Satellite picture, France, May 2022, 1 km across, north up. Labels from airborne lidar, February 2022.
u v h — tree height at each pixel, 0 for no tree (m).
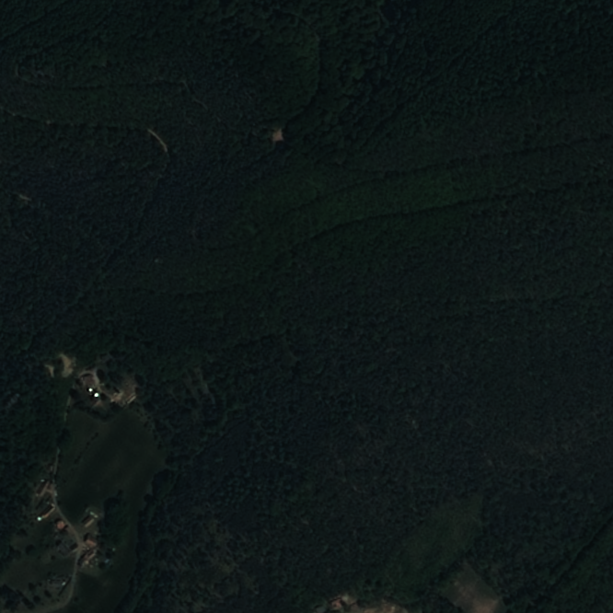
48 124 8
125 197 30
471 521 0
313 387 22
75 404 6
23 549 0
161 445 8
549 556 26
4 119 22
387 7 8
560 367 28
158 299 20
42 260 26
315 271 30
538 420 23
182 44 28
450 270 22
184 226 22
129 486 0
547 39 31
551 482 11
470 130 19
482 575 11
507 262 26
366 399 25
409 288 25
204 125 24
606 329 29
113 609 0
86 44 27
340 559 26
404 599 19
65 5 24
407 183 20
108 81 23
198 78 28
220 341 29
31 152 31
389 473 25
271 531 22
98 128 24
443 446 22
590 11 29
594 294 27
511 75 29
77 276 26
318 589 19
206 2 39
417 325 25
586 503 12
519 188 24
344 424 23
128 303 18
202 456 13
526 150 25
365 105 33
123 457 0
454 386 18
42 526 0
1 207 27
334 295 26
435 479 18
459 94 26
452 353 27
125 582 0
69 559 0
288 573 21
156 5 27
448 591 0
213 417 21
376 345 31
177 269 17
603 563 31
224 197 19
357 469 29
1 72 15
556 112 22
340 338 28
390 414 27
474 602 0
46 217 26
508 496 12
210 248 23
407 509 26
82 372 0
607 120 19
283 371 31
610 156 27
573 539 23
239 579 12
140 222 26
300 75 26
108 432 0
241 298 25
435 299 25
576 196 30
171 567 8
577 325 23
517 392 26
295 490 22
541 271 29
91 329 20
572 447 24
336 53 27
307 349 30
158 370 24
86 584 0
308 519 25
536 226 28
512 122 22
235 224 19
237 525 14
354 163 15
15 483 23
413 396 22
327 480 24
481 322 26
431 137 15
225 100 18
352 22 32
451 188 25
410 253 23
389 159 17
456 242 22
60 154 30
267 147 23
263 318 28
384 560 27
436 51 30
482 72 27
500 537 6
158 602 8
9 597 23
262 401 23
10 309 29
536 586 29
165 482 23
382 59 36
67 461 0
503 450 26
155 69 26
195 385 12
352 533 22
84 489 0
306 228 21
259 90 24
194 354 26
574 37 33
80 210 31
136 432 0
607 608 29
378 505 25
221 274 23
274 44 29
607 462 23
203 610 8
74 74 21
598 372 29
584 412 22
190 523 10
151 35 30
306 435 27
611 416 27
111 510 22
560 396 26
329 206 20
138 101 25
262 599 11
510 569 26
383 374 26
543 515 12
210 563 9
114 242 32
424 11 35
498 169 20
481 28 17
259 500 9
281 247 22
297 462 23
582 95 16
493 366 24
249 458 12
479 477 20
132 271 19
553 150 24
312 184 15
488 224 28
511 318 25
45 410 27
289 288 28
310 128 36
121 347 24
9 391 27
